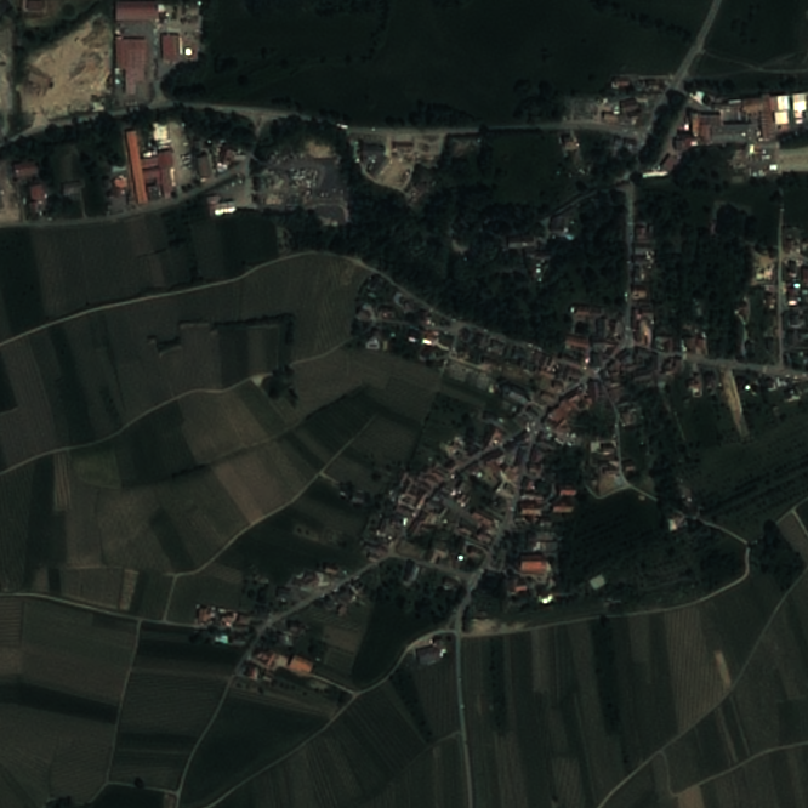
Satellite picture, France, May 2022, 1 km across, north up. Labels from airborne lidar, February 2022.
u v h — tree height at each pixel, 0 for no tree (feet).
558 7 0
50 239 0
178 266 0
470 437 41
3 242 0
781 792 0
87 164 25
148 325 0
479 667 0
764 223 0
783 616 0
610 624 21
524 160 0
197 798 0
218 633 41
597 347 0
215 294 0
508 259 65
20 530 0
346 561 0
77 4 0
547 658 0
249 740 0
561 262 69
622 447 0
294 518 0
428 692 0
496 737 0
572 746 0
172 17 0
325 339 0
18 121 0
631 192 0
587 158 35
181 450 0
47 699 0
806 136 49
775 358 0
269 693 0
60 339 0
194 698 0
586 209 27
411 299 0
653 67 0
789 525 0
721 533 40
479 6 0
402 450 0
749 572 0
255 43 0
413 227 72
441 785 0
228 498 0
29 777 0
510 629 0
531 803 0
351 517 0
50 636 0
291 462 0
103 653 0
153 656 0
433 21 0
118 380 0
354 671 0
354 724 0
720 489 0
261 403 0
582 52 0
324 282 0
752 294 23
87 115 0
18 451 0
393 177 0
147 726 0
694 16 0
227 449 0
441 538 0
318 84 0
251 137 57
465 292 48
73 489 0
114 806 0
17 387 0
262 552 0
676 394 0
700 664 0
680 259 28
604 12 56
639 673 0
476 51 0
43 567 0
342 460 0
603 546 0
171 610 0
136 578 0
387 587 27
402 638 0
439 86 0
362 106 0
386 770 0
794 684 0
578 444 0
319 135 50
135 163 0
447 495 0
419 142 0
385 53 0
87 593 0
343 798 0
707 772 0
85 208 0
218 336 0
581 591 0
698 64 0
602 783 0
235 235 0
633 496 0
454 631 0
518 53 0
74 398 0
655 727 0
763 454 0
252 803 0
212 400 0
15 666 0
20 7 0
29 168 0
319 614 0
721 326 28
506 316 101
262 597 36
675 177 64
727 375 0
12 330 0
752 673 0
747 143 0
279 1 110
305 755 0
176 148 0
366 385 0
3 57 0
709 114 0
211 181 0
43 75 0
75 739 0
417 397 0
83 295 0
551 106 32
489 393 0
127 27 0
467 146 0
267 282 0
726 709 0
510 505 0
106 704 0
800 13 0
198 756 0
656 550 0
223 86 0
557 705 0
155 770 0
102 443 0
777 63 0
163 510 0
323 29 0
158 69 0
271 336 0
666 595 0
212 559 0
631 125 0
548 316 22
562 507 0
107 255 0
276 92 0
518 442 0
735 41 0
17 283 0
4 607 0
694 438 0
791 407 0
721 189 41
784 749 0
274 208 0
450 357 0
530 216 56
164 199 0
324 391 0
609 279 38
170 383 0
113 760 0
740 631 0
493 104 0
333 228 25
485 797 0
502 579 39
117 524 0
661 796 0
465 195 74
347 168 43
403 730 0
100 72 0
